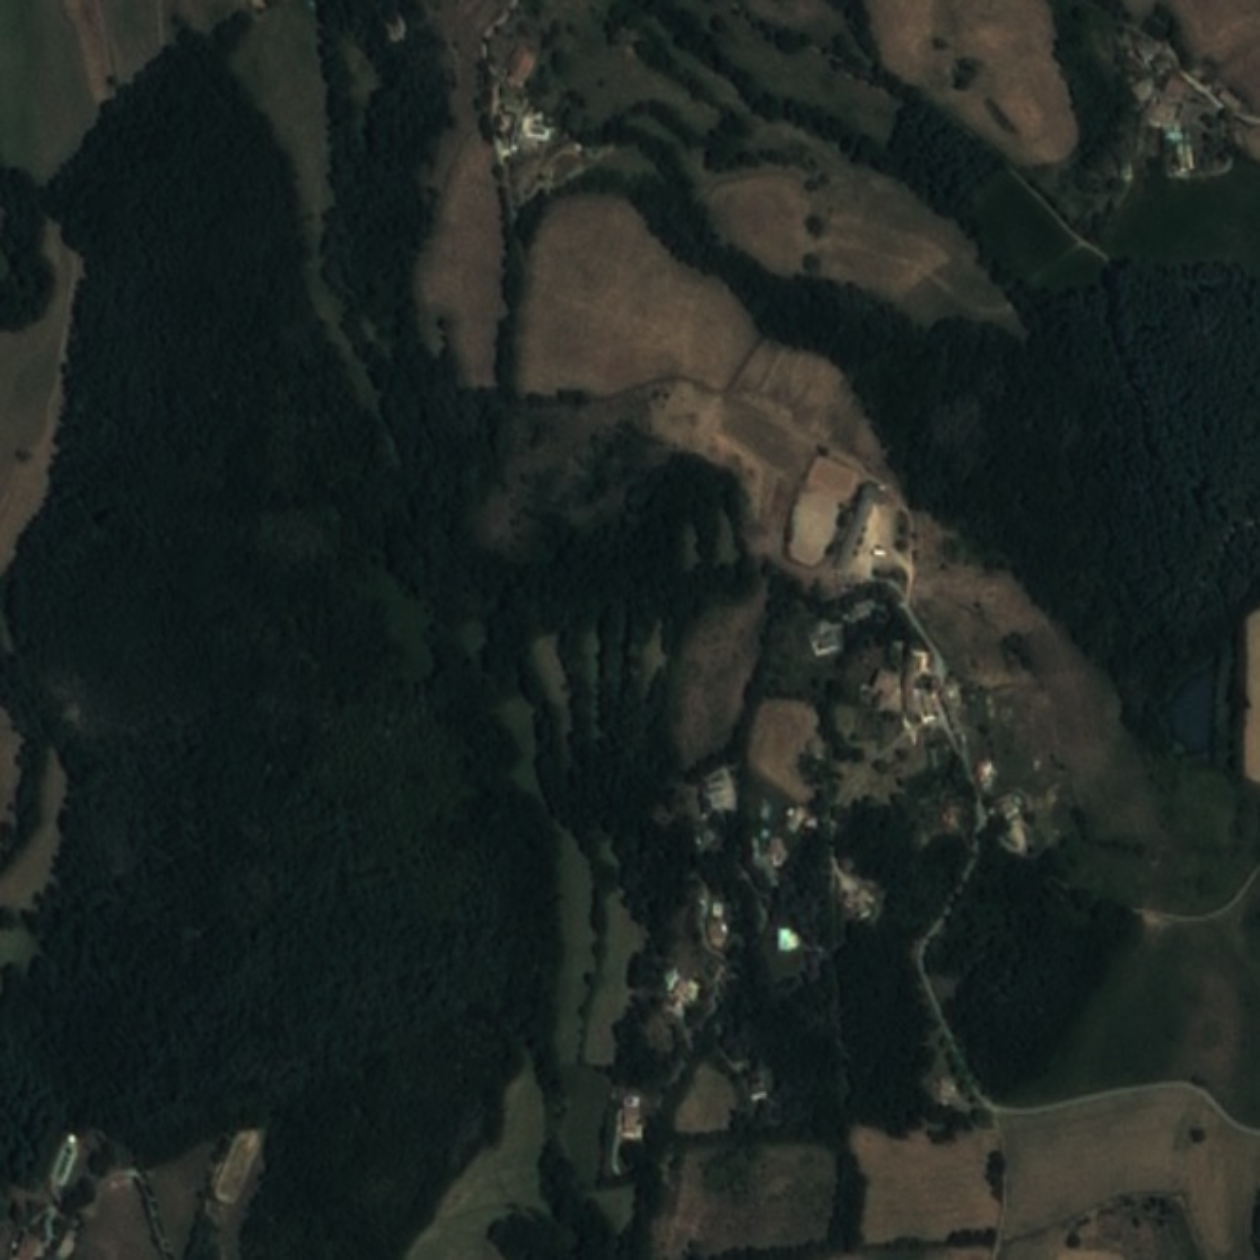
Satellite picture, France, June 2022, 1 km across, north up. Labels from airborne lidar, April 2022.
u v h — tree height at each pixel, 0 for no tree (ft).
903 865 46
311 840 58
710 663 0
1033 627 0
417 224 24
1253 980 0
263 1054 74
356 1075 37
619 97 0
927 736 0
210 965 54
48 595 35
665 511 46
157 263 52
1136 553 68
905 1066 43
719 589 40
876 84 37
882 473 0
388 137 37
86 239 68
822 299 61
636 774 63
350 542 49
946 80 0
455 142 0
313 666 49
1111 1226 0
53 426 0
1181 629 53
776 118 58
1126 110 35
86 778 49
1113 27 0
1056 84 0
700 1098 0
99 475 53
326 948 68
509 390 28
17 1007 60
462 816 55
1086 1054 0
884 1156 0
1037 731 0
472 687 81
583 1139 0
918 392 20
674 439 0
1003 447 58
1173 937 0
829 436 0
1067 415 57
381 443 59
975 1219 0
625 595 41
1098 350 63
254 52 0
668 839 57
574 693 48
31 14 0
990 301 0
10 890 0
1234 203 0
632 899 39
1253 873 0
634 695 54
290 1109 48
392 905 84
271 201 25
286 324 45
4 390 0
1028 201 0
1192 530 55
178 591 47
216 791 33
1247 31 0
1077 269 0
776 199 0
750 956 55
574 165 0
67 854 41
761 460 0
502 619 47
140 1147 42
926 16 0
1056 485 48
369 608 62
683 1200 0
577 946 0
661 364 0
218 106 62
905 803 38
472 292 0
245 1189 0
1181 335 113
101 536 51
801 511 0
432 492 43
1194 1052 0
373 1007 75
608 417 0
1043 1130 0
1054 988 39
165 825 40
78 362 47
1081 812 25
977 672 0
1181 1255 0
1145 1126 0
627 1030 47
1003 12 0
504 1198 0
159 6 0
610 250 0
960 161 68
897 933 31
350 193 56
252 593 57
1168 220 0
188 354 33
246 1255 39
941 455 46
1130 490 64
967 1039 21
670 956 56
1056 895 52
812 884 53
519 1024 70
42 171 0
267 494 60
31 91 0
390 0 41
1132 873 0
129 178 59
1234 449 113
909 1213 0
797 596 31
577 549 51
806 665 0
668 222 54
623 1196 0
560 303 0
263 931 54
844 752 39
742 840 36
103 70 0
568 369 0
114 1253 0
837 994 42
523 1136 0
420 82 23
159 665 32
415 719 62
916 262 0
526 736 0
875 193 0
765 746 0
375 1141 36
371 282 25
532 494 0
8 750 0
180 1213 0
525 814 82
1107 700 0
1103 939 24
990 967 48
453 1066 40
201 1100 59
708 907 0
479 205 0
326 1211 60
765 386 0
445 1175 46
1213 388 107
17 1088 96
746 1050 53
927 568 0
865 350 53
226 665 45
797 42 42
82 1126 52
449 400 50
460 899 53
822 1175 0
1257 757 0
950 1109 34
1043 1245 0
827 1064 46
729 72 92
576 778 55
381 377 72
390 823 60
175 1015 52
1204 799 0
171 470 41
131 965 54
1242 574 41
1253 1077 0
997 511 44
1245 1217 0
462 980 58
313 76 0
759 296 51
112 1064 55
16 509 0
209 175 52
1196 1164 0
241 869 58
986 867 31
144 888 33
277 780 51
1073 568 41
